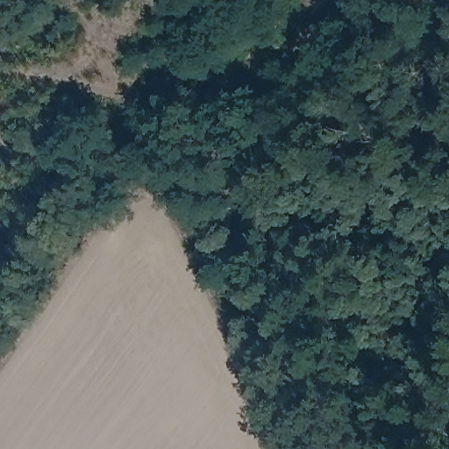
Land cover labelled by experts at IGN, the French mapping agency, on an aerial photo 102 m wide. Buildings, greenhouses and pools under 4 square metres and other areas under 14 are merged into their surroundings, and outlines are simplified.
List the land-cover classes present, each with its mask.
<instances>
[{"label":"deciduous trees","instance_id":"1","mask_svg":"<svg viewBox=\"0 0 449 449\"><path fill-rule=\"evenodd\" d=\"M310 0H154V4L151 5V23H135V33L118 39L119 53L128 56L116 70L121 75L132 74L139 77L144 70L161 68L172 75L168 77L167 86L160 89L156 95L135 98L132 103L130 109L125 112V126L132 132H137V135L128 146L112 144V135L107 130L105 110L96 107L95 114L91 116L88 109L82 107L75 110V116H58L54 121V133L44 142V146H33L30 135L39 130V112L42 105L51 100V95L58 89V82L49 77H26L14 72L18 65H54L67 63L77 56V46L84 42V28L74 12L60 7V0H0V358L16 349L19 333L25 328H30L35 316L44 310V302L51 298V289L56 288V274L65 270L70 258L81 253L86 233L114 230L123 219H133L130 202L137 200L135 191L139 188L149 191L154 202L160 207H165L167 216L181 228L184 237L182 247L188 256V265L193 270L196 284L200 289L212 291L217 305L223 298L237 307L233 312L235 319L230 321V337L223 339L228 353L226 365L235 375L240 396L246 402L244 409L249 416L246 433L260 440L258 449H386L389 438L381 437L377 442L372 435L377 419H384L391 424L409 423L419 428L421 437L416 440H403V445L407 449H449V312L442 314V319H438L437 323L431 326L435 342H431L430 346L433 358L431 368L433 372H437V379H428L423 374V367L419 365V361L414 360L409 349L403 347L402 335L389 339L386 330L403 323V317L409 316L414 309L417 296L426 295L430 302L442 303L449 296V267L442 268L440 274L433 277L428 268L423 267V263L430 260L440 247L449 249V82L438 86L440 103L435 107V112H430L424 121L417 119L419 107L416 98L410 95V89L416 84L417 72L414 67L416 61L421 58H435V67L431 68L430 74L431 82L449 74V0H337L339 11L331 18L333 21H321L317 25L309 26L307 40L300 46V54L295 65H284L275 60L268 61L265 67L258 70V77L279 82V89L272 91V95L251 98L253 89L242 86L235 91H221L214 102L200 105L189 95L191 91H195L198 82L207 81L214 74H224L226 68L235 61L247 63L258 49H279L286 42L289 16L302 11L303 7H309ZM412 128H419L421 132H431L435 137L428 147V153L424 154L419 163L410 158L412 147L398 146L403 135H407ZM258 135L263 137V151L270 156V161L261 165L263 172L256 168H247L235 158L239 151L253 146L258 140ZM360 137L377 139V144L368 156H353L346 160L344 156L331 153V144L339 140L353 142ZM40 168L60 174L54 182L53 191L44 193L40 202L32 205L12 202L9 196L12 189L26 186L33 172ZM232 210L239 212L242 219L253 221L251 230L242 235L251 247L239 256L228 253V249L224 247L228 239V230L217 224L219 219H224ZM333 210H339L340 214L333 230L310 233L300 239L298 246L289 239V232L282 235L272 233L270 237L277 246L275 254L263 251V233L272 226L288 223L289 214L312 217L317 223L323 221L324 216ZM351 230L354 233H361L365 239L372 233L384 232L393 233V237L389 242H382L360 258L349 256ZM361 349H372L381 360L391 356L402 361L405 367L409 368L410 381L403 382L400 386L389 382L375 386L374 382L361 374L360 368H353V360L358 358ZM126 0H81L79 7L82 11L98 5V11L112 18L121 14V7Z\"/></svg>","mask_w":449,"mask_h":449},{"label":"plowed land","instance_id":"2","mask_svg":"<svg viewBox=\"0 0 449 449\"><path fill-rule=\"evenodd\" d=\"M137 200L130 202L133 219H123L114 230L86 233L81 253L70 258L65 270L56 274V288L51 289V298L44 302V310L35 316L30 328H25L19 333L16 349L0 358V449H258L260 440L246 433L249 416L244 409L246 402L240 396L235 375L226 365L228 353L223 339V333L217 326V305L212 291L200 289L196 284L193 270L188 265V256L182 247L184 237L181 228L167 216L165 207H160L154 202L149 191L139 188L135 191Z\"/></svg>","mask_w":449,"mask_h":449},{"label":"herbaceous vegetation","instance_id":"3","mask_svg":"<svg viewBox=\"0 0 449 449\"><path fill-rule=\"evenodd\" d=\"M81 0H60V7L74 12L84 28V42L77 46V56L67 63L54 65H18L14 72L26 77H49L58 82H79L91 93L110 98L114 103L123 102V98L126 102L132 103L135 98L156 95L160 89L167 86L168 77L172 75L161 68L144 70L139 77L132 74L121 75L116 70L128 56L119 53L118 39L135 33V23H151V5L154 4V0H126L121 7V14L112 18L98 11V5L82 11L79 7ZM339 11L337 0H310L309 7H303L302 11L289 16L286 42L279 49H258L247 63L235 61L226 68L224 74H214L207 81L198 82L195 91H191L189 95L200 105L214 102L221 91H235L242 86L253 89L251 98L272 95V91L279 89V82L258 77V70L265 67L268 61L275 60L284 65H295L300 54V46L307 40L309 26L317 25L321 21H333L331 18ZM435 67V58H421L416 61L414 67L417 72L416 84L410 89V95L416 98L419 107L417 119L424 121L430 112H435V107L440 103L438 86L449 82V74L431 82L430 74L431 68ZM435 137L431 132H421L419 128H412L407 135H403L398 146L412 147L410 158L419 163L424 154L428 153V147ZM235 158L247 168H256L263 172L261 165L270 161V156L263 151V137L258 135V140L253 146L239 151ZM377 144V139L360 137L353 142L339 140L331 144V153L344 156L346 160L353 156H368ZM217 224L228 230V239L224 247L228 249V253L239 256L251 247L242 235L251 230L253 221L242 219L239 212L232 210L224 219H219ZM340 214L339 210H333L324 216L323 221L317 223L312 217L289 214L288 223L272 226L263 233V251L275 254L277 246L270 237L272 233L282 235L289 232V239L298 246L300 239L310 233L333 230ZM393 237V233L384 232L372 233L365 239L361 233H354L351 230L349 256L360 258L382 242H389ZM423 267L428 268L433 277L440 274L442 268L449 267V249L440 247L430 260L423 263ZM449 312V296L442 303L430 302L426 295L417 296L414 309L409 316L403 317V323L386 330L389 339L402 335L403 347L409 349L414 360L419 361V365L423 367V374L428 379H437V372H433L431 368L433 358L430 346L431 342H435L431 326L437 323L438 319H442V314ZM237 307L223 298L217 305V326L223 333V339L230 337V321L235 319L233 312ZM353 368H360L361 374L374 382L375 386L389 382L400 386L403 382L410 381L409 368L405 367L402 361L391 356L381 360L372 349H361L358 358L353 360ZM372 435L377 442L381 437L389 438L386 449H407L403 445V440H416L421 437L419 428L409 423L391 424L384 419H377Z\"/></svg>","mask_w":449,"mask_h":449},{"label":"brushwood","instance_id":"4","mask_svg":"<svg viewBox=\"0 0 449 449\"><path fill-rule=\"evenodd\" d=\"M132 103L126 102L123 98V102L114 103L110 98L91 93L79 82H58V89L51 95V100L42 105L39 112V130L30 135L33 146H44V142L54 133V121L58 116H75V110L82 107L88 109L91 116L95 114L96 107L105 110L107 130L112 135V144L128 146L137 135V132H132L125 126V112L130 109ZM60 174L40 168L33 172L26 186L12 189L9 196L12 202L32 205L40 202L44 193L53 191L54 182Z\"/></svg>","mask_w":449,"mask_h":449}]
</instances>
